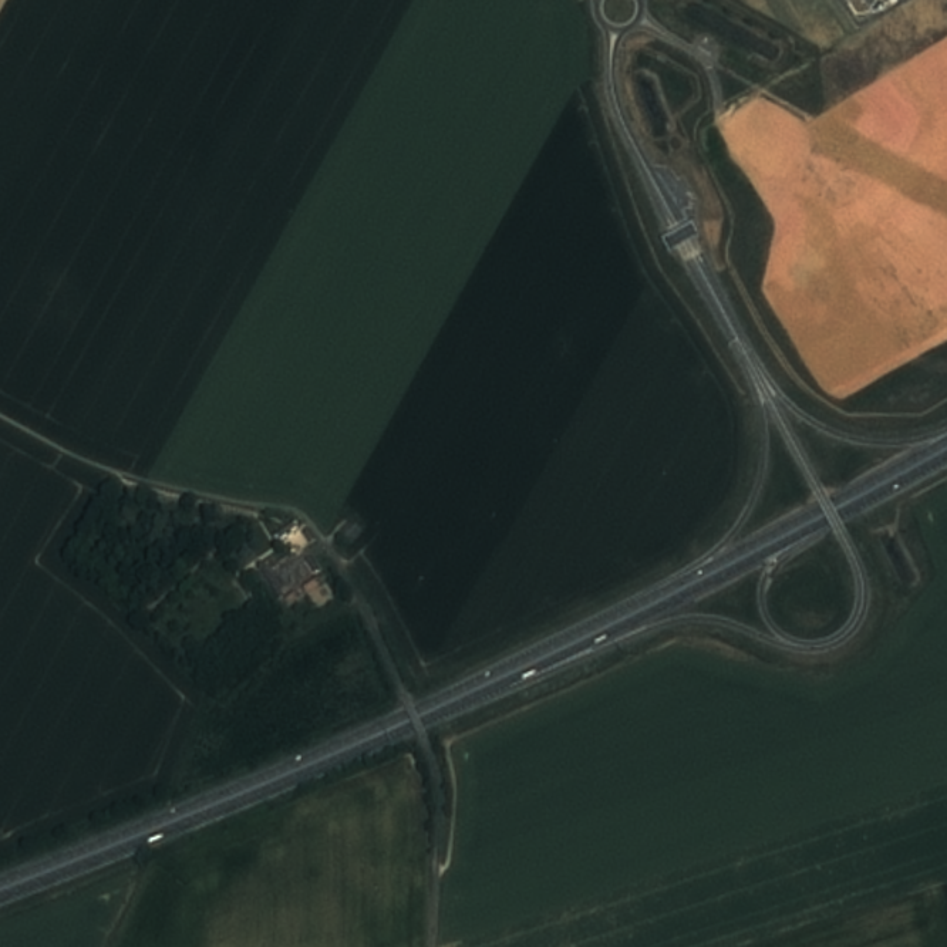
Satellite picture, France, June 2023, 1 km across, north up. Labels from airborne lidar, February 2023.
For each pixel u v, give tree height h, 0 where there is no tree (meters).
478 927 0
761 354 0
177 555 21
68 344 0
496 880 0
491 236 0
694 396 0
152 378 0
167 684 0
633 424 0
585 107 0
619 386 0
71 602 0
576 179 0
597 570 0
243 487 0
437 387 0
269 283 0
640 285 0
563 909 0
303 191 0
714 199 0
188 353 0
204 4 0
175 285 0
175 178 0
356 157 0
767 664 0
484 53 0
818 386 0
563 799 0
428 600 0
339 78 0
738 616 0
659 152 0
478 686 0
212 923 0
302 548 0
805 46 0
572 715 0
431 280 0
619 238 0
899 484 0
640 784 0
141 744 0
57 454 0
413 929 0
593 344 0
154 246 0
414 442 0
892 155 0
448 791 10
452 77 0
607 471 0
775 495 0
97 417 0
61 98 0
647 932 0
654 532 0
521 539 0
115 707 0
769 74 0
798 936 0
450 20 0
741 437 0
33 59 0
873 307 0
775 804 0
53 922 0
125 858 0
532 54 0
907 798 0
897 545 0
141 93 0
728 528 0
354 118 0
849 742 0
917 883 0
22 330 0
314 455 0
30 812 0
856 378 0
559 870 0
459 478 0
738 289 0
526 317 0
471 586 0
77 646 0
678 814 0
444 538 0
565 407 0
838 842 0
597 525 0
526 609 0
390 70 0
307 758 0
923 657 0
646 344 0
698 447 0
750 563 0
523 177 0
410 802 0
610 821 0
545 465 0
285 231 0
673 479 0
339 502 0
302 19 0
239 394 0
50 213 0
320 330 0
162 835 0
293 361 0
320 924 0
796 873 0
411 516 0
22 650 0
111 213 0
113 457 0
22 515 0
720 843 0
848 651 0
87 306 0
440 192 0
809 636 0
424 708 0
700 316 0
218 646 15
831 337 0
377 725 0
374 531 0
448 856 0
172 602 11
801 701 0
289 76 0
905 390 0
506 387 0
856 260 0
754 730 0
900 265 0
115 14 0
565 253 0
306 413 0
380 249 0
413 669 0
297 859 0
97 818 12
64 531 0
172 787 0
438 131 0
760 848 0
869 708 0
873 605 0
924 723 0
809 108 0
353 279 0
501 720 0
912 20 0
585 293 0
